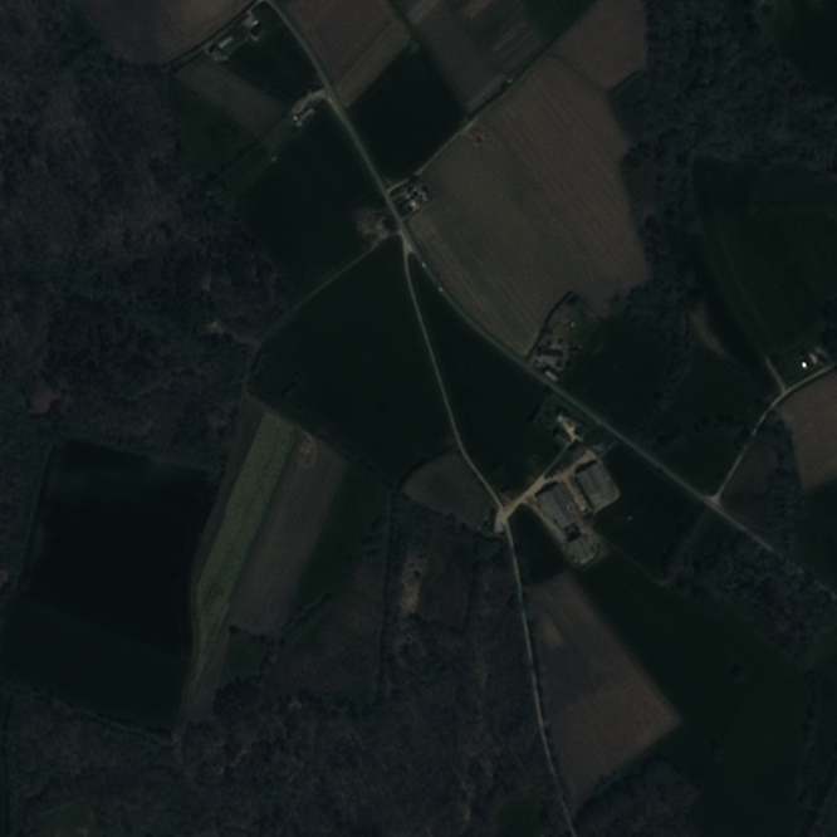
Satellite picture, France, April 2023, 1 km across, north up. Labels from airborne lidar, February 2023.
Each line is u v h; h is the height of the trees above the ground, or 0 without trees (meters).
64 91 13
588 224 0
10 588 7
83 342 7
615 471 0
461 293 0
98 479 0
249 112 0
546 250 0
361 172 0
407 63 0
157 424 12
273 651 5
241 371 7
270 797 11
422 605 0
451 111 0
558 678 0
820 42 0
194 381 11
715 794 0
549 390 6
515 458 0
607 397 0
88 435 6
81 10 0
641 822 13
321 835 11
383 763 20
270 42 0
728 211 0
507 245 0
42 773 12
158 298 10
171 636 0
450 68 0
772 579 12
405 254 0
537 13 0
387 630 8
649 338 0
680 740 0
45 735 17
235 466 0
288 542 0
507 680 9
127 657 0
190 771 13
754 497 0
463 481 0
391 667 15
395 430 0
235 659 0
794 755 0
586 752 0
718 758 9
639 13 0
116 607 0
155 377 9
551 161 0
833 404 0
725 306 0
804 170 0
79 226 18
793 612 17
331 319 0
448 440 0
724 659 0
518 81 0
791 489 17
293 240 0
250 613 0
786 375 12
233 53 0
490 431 0
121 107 19
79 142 17
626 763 0
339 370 0
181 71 12
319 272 0
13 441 10
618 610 0
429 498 0
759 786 0
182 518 0
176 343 14
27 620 0
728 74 12
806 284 0
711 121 28
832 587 0
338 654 0
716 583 19
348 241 0
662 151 16
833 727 0
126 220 7
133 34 0
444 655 9
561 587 0
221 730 10
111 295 8
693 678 0
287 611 0
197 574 0
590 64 0
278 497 0
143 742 11
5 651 0
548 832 18
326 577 0
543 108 0
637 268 0
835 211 0
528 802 0
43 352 0
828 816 15
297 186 0
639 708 0
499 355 0
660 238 15
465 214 0
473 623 16
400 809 19
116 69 11
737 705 0
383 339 0
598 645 0
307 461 0
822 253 0
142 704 0
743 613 15
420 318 0
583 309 0
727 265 0
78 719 13
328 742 15
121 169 18
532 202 0
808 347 0
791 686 0
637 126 5
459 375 0
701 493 0
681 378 6
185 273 10
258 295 18
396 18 0
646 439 11
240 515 0
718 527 0
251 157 0
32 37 15
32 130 12
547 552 0
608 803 20
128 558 0
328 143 0
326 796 16
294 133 10
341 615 0
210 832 6
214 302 9
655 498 0
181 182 14
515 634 11
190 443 16
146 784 19
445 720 22
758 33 15
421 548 8
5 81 11
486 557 8
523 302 0
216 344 14
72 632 0
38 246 16
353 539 0
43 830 9
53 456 0
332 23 0
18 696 11
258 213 0
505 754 24
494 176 0
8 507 10
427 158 0
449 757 25
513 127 0
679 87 10
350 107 0
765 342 0
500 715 12
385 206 13
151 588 0
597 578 0
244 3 0
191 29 0
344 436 0
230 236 16
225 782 10
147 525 0
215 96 0
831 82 0
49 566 0
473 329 0
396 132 0
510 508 0
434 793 22
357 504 0
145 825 0
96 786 14
